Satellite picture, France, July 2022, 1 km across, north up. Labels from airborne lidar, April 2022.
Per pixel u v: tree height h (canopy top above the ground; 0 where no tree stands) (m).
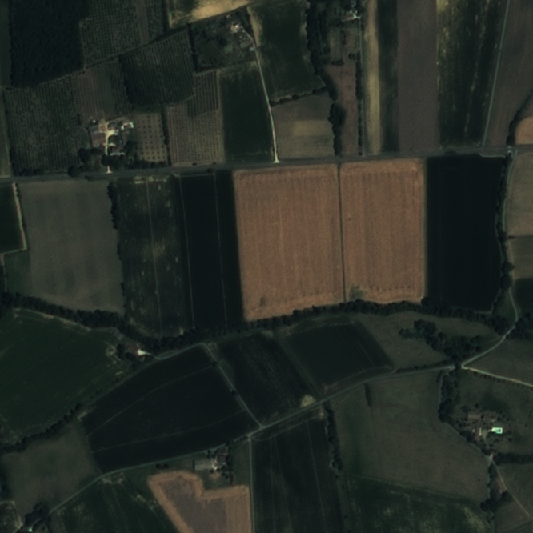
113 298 0
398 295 0
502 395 0
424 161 0
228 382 0
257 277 0
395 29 0
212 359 0
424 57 0
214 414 0
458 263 0
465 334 0
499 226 10
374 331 0
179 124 0
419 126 0
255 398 0
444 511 0
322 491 0
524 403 0
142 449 0
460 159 0
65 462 0
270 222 0
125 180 0
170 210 0
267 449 0
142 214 0
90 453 0
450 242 0
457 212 0
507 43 0
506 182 11
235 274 0
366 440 0
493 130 0
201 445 0
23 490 0
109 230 0
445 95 0
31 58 19
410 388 0
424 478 0
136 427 0
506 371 0
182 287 0
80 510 0
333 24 0
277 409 0
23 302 14
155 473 0
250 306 0
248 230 0
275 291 0
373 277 0
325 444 0
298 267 0
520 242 0
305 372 0
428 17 0
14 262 0
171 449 0
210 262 0
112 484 0
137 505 0
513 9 0
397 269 0
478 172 0
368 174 0
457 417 0
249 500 0
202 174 0
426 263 0
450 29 0
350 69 0
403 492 0
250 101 0
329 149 0
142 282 0
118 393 0
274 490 0
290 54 0
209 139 0
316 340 0
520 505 0
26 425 0
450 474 0
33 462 0
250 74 0
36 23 19
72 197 0
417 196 0
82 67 16
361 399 0
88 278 0
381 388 0
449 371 0
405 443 0
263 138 0
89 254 0
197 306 0
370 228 0
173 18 0
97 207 0
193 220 0
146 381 0
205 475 0
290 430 0
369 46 0
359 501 0
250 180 0
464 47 0
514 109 0
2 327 0
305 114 0
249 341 0
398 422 0
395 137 0
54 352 0
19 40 17
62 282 0
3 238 0
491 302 0
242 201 0
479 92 0
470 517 0
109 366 0
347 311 8
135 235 0
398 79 0
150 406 0
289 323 23
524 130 0
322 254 0
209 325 0
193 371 0
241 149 0
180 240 0
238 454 0
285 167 0
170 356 0
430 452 0
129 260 0
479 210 0
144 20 0
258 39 0
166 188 0
